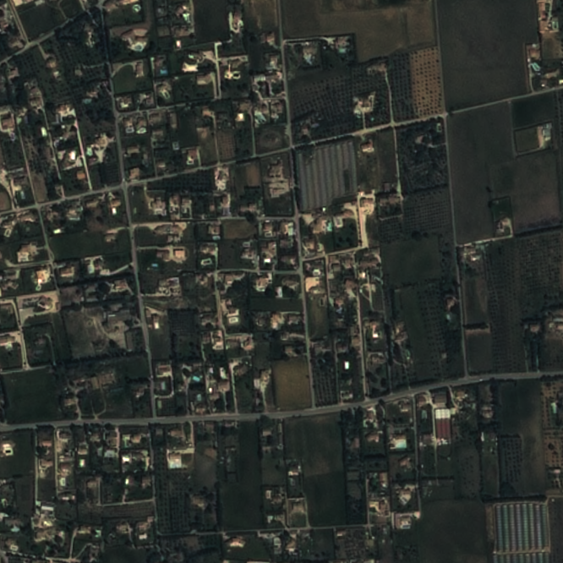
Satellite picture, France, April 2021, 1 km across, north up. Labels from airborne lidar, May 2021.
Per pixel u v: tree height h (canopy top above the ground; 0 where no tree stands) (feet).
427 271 0
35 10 0
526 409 0
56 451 0
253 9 0
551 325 0
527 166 0
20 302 0
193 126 0
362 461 29
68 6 0
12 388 0
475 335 0
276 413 0
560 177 0
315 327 0
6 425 0
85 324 0
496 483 0
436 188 18
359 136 0
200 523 27
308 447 0
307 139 34
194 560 38
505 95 0
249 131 30
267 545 24
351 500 39
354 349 28
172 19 19
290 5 0
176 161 30
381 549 0
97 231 0
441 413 0
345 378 23
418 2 0
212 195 23
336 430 0
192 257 0
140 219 0
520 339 0
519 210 0
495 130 0
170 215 20
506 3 0
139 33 0
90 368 47
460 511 0
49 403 0
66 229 21
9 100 23
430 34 0
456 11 0
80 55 0
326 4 0
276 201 0
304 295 0
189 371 31
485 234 0
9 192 0
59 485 0
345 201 0
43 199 0
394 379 27
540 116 0
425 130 28
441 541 0
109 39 31
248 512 0
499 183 0
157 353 0
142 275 29
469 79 0
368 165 0
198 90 23
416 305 0
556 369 0
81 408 21
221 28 0
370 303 0
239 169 0
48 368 19
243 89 33
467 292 0
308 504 0
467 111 0
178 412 27
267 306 0
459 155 0
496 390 50
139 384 38
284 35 0
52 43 21
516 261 0
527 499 27
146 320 0
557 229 30
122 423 0
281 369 0
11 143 18
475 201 0
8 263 0
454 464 0
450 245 22
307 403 0
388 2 0
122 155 0
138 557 0
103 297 29
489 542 0
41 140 25
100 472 19
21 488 0
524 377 0
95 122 39
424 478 24
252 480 0
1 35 27
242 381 30
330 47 30
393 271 0
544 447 0
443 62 0
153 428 38
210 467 0
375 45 0
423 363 0
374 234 0
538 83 0
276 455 42
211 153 0
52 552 23
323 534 0
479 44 0
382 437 20
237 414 0
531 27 0
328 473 0
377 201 20
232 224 0
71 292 0
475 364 0
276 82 28
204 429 23
